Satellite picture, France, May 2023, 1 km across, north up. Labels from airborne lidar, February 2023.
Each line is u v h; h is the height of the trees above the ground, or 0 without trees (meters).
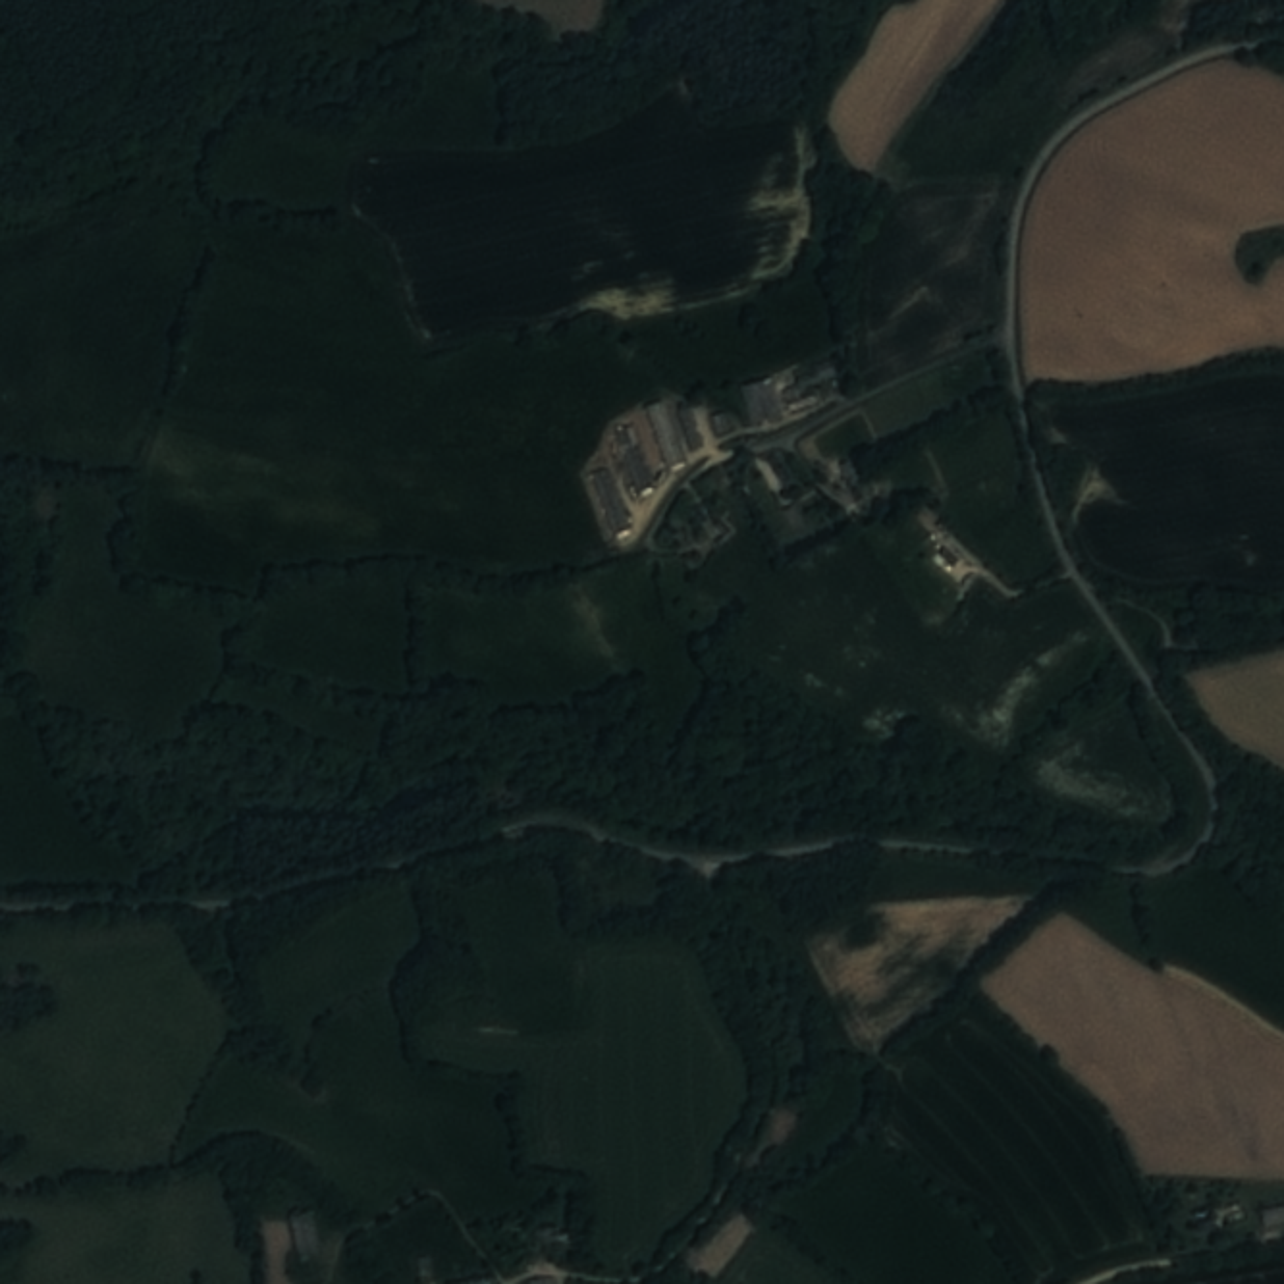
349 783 8
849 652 0
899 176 0
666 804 8
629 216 0
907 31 0
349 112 24
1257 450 0
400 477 0
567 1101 0
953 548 0
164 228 0
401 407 0
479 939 0
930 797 11
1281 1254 15
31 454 0
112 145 15
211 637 0
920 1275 0
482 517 0
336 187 0
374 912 0
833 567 0
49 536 7
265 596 15
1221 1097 0
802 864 8
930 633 0
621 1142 0
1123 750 0
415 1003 15
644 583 0
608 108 18
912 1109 0
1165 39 0
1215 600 12
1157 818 0
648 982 0
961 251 0
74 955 0
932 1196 9
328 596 0
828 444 0
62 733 12
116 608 0
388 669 0
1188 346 0
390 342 0
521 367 0
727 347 0
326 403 0
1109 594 10
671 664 0
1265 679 0
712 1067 0
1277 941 0
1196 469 0
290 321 0
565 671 0
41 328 0
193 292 7
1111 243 0
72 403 0
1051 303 0
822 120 8
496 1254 8
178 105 22
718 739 21
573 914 16
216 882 14
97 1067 0
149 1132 0
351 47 0
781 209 0
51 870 0
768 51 22
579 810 13
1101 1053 0
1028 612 0
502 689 0
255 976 15
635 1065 0
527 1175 12
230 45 19
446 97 0
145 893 15
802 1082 19
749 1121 13
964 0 0
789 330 0
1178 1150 0
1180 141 0
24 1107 0
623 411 0
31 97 13
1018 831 15
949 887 0
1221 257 0
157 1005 0
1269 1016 0
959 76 6
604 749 24
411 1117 0
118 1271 0
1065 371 0
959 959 0
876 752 7
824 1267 7
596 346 0
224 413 0
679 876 16
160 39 17
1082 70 0
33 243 0
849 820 15
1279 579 0
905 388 0
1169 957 0
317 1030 7
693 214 0
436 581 12
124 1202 0
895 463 14
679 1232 11
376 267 0
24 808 0
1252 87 0
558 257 0
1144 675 0
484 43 9
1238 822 9
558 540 0
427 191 0
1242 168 0
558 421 0
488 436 0
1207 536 0
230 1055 7
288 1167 13
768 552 8
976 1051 0
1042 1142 0
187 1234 0
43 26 18
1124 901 0
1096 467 0
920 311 0
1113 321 0
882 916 0
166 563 0
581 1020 0
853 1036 0
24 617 7
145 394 0
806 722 22
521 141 15
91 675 0
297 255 0
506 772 6
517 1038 0
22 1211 0
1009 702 0
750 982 15
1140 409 0
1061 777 0
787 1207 0
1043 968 0
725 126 14
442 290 0
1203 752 9
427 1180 0
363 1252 15
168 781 12
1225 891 0
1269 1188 0
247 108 18
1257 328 0
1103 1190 0
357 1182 0
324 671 0
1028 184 0
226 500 0
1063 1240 0
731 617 18
